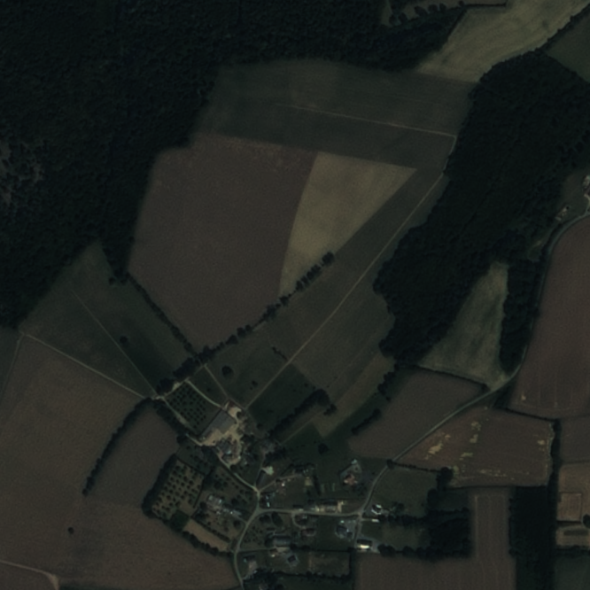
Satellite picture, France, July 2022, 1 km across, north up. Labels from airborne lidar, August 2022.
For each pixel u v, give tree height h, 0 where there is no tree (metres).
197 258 0
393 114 0
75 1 11
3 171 0
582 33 0
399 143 0
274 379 0
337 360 0
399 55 20
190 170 0
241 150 0
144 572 0
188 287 0
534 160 9
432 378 0
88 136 18
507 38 0
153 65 21
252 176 0
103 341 0
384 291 18
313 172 0
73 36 12
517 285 19
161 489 7
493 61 0
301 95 0
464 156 12
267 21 15
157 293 0
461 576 0
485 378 0
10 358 0
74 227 10
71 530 8
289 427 13
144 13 19
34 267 10
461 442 0
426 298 16
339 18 13
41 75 12
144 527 0
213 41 8
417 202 0
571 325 0
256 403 0
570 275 0
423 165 0
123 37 7
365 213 0
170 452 0
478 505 0
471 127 12
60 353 0
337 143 0
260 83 0
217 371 0
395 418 0
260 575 15
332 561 0
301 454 0
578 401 0
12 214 18
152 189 0
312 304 0
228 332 0
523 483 0
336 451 0
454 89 0
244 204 0
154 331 0
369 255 0
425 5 0
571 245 0
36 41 14
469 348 0
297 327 0
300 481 0
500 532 0
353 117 0
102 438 0
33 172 16
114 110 28
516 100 8
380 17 18
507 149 14
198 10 16
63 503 0
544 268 15
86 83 21
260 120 0
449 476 19
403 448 0
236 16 17
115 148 25
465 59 0
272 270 0
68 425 0
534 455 0
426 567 0
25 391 0
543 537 11
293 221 0
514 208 9
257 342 0
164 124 7
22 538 0
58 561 0
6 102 22
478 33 0
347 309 0
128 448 0
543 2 0
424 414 0
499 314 0
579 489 0
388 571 0
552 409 0
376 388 0
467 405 0
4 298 11
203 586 0
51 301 0
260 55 16
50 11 8
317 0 16
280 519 13
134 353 0
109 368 0
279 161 0
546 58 16
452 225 12
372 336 0
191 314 0
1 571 0
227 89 0
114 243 6
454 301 25
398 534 0
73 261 14
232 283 0
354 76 0
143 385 0
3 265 12
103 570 0
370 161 0
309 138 0
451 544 9
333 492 0
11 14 15
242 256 0
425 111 0
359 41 22
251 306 0
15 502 0
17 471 0
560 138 10
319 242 0
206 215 0
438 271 12
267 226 0
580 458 0
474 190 12
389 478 0
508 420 0
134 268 0
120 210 11
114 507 0
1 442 0
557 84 10
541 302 0
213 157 0
